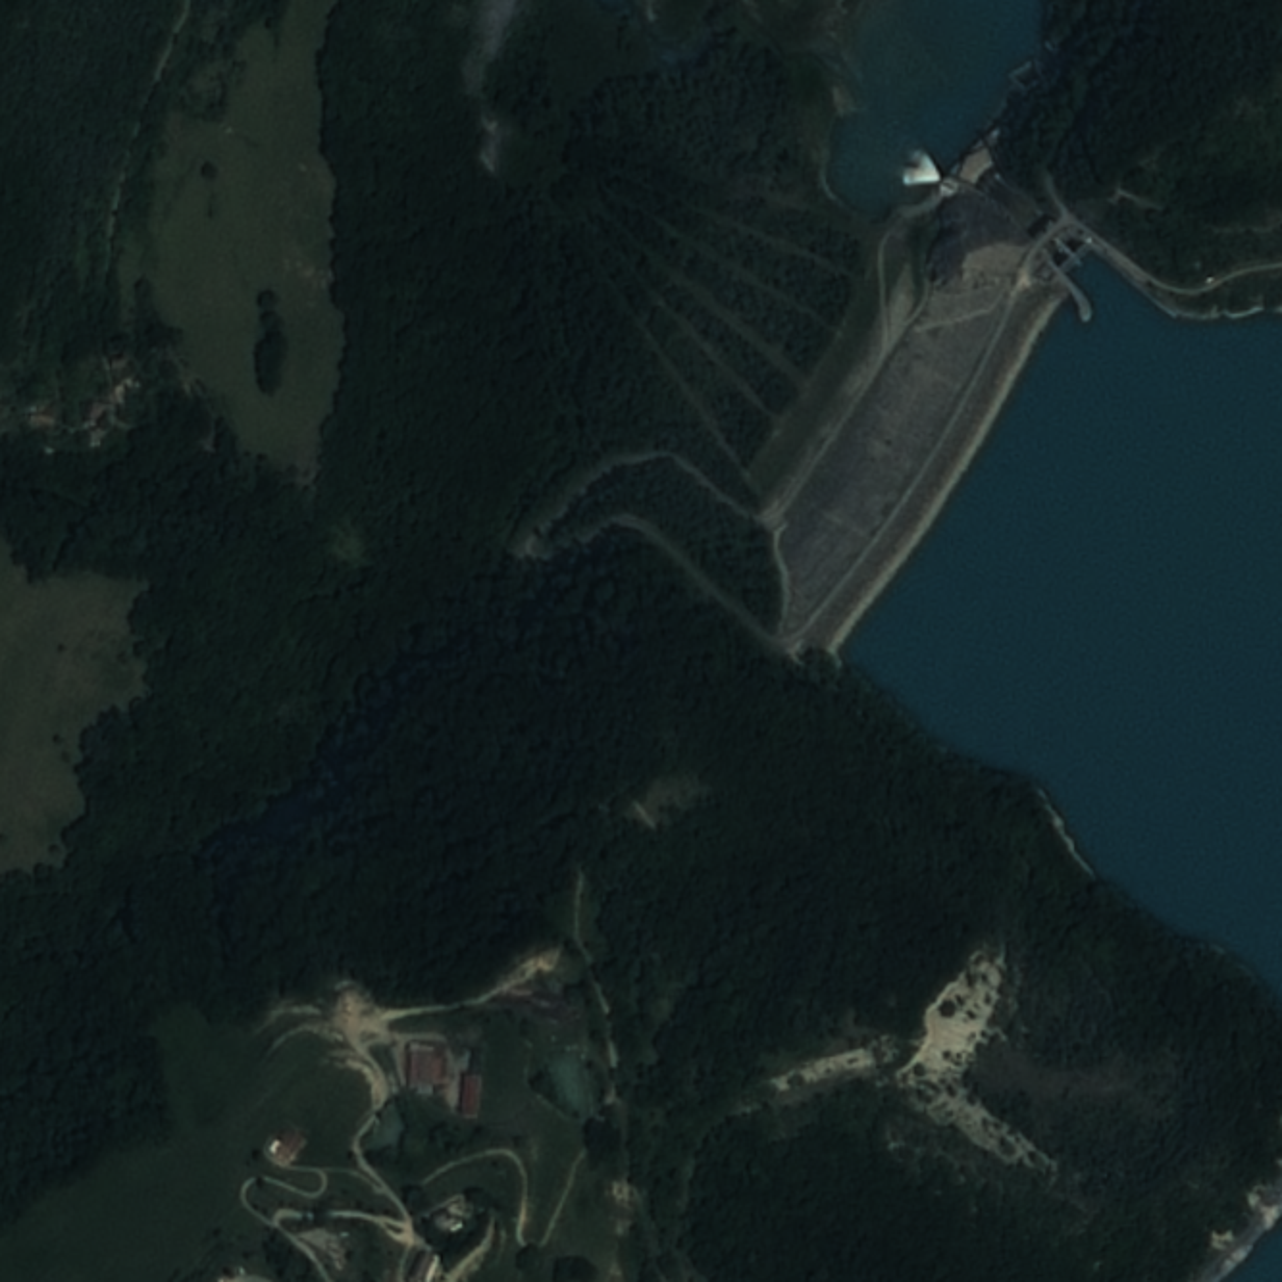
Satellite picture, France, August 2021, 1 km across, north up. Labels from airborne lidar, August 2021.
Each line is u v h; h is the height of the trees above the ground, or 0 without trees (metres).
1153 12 20
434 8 15
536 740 21
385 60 12
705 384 8
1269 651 0
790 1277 13
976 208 0
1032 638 0
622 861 19
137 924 26
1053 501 0
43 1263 0
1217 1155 8
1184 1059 7
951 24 0
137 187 14
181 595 22
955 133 0
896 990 8
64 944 29
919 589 0
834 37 0
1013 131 14
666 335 9
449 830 30
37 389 17
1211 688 0
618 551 17
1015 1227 9
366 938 26
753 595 16
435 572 26
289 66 0
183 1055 0
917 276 0
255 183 0
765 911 21
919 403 0
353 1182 0
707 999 20
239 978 27
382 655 26
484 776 13
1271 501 0
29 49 7
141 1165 0
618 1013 10
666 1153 7
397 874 29
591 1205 0
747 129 9
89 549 21
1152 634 0
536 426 20
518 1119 0
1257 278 7
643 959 16
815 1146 13
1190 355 0
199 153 0
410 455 20
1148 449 0
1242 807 0
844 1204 20
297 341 0
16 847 0
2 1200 12
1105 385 0
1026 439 0
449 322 16
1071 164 9
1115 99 20
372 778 27
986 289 0
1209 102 10
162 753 21
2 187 17
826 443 0
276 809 17
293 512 16
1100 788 0
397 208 12
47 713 0
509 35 8
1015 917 9
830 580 0
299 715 12
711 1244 15
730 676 25
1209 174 9
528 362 23
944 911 19
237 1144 0
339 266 11
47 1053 21
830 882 14
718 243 8
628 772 10
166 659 14
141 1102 16
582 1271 15
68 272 13
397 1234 0
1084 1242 8
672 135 7
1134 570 0
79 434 7
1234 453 0
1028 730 0
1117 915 17
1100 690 0
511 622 24
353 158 20
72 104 8
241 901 25
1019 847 9
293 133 0
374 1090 0
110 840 18
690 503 13
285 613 25
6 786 0
